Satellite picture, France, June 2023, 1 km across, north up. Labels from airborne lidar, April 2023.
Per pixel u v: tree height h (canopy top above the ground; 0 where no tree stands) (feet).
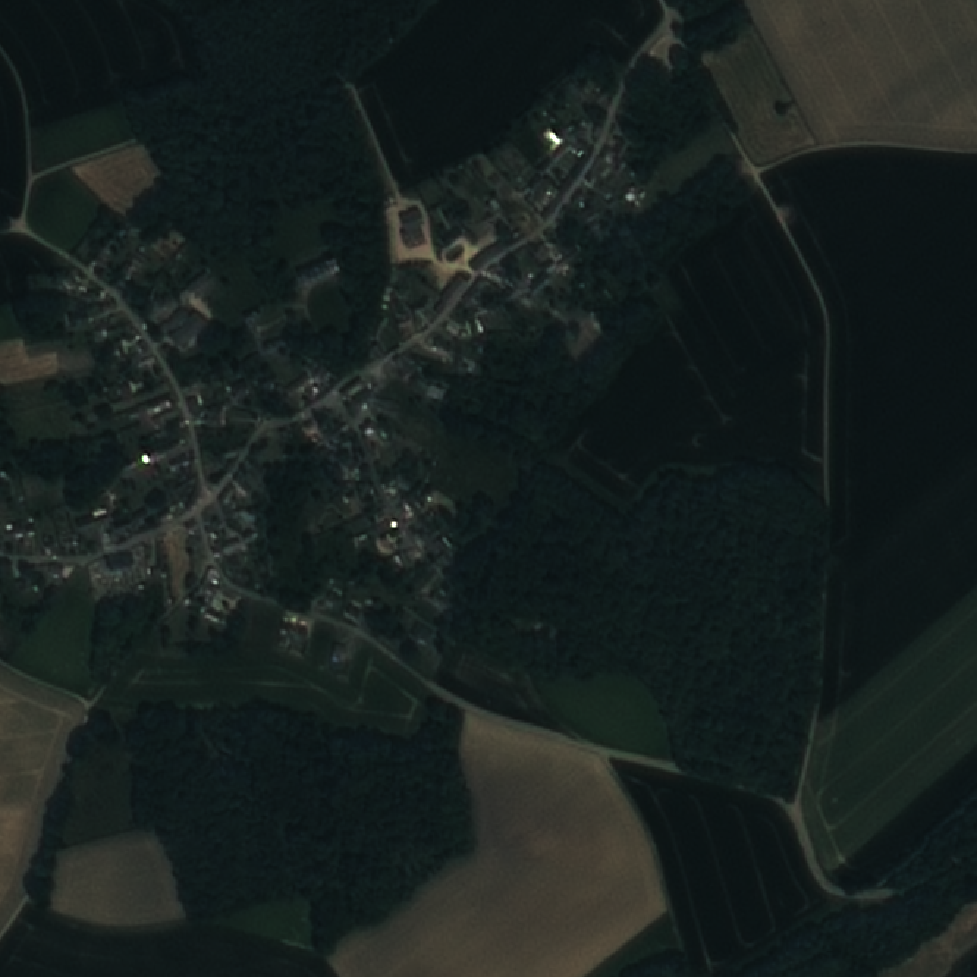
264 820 77
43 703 0
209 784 81
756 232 0
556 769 0
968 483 0
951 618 0
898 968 0
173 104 40
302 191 63
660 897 0
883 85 0
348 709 0
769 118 0
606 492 0
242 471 32
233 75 65
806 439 0
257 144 75
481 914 0
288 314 42
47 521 0
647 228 71
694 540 64
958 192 0
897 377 0
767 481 74
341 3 43
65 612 0
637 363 0
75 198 0
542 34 0
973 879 35
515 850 0
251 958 0
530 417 66
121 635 50
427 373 30
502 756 0
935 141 0
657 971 56
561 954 0
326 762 95
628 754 0
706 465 0
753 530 52
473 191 0
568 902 0
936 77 0
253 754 113
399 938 0
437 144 0
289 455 25
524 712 0
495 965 0
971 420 0
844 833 0
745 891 0
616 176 0
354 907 57
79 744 59
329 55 52
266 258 67
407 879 53
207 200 64
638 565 73
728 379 0
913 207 0
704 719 59
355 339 47
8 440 42
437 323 0
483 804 0
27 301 61
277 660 0
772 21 0
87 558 0
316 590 28
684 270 0
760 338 0
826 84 0
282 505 32
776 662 70
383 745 73
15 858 0
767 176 0
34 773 0
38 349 0
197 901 83
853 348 0
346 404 20
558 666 59
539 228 0
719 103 49
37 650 0
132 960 0
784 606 39
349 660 0
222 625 0
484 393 23
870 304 0
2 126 0
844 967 40
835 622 0
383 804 96
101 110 0
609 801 0
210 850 77
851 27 0
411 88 0
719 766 68
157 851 0
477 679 0
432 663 0
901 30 0
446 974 0
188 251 0
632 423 0
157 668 0
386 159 0
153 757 80
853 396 0
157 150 41
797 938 52
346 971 0
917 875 49
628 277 28
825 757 0
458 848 57
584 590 76
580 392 44
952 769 0
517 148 0
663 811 0
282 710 45
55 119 0
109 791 0
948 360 0
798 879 0
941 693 0
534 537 40
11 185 0
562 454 0
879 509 0
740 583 47
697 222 63
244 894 73
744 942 0
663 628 39
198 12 55
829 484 0
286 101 64
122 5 0
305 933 0
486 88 0
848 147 0
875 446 0
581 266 27
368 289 69
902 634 0
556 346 57
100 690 0
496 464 0
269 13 51
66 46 0
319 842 80
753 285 0
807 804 0
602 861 0
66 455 34
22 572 34
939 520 0
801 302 0
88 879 0
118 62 0
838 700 0
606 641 58
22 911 0
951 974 0
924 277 0
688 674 55
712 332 0
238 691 0
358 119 61
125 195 0
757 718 90
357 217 48
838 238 0
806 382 0
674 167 0
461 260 0
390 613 43
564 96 26
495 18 0
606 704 0
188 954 0
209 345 54
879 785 0
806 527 56
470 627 51
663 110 62
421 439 0
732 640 56
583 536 68
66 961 0
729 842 0
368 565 52
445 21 0
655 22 0
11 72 0
